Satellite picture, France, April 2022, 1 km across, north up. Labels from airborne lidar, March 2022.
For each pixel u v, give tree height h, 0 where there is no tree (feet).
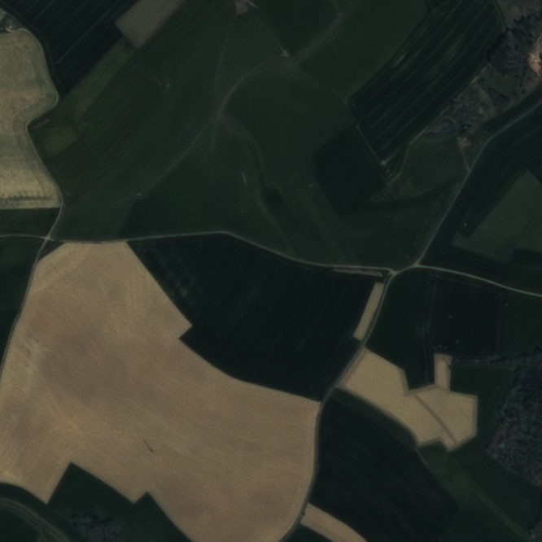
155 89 0
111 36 0
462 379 0
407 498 0
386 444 0
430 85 0
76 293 0
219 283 0
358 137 0
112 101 0
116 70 0
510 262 0
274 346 0
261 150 0
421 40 0
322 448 0
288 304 0
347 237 0
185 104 0
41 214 0
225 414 0
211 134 0
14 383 0
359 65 0
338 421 0
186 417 0
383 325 0
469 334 0
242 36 0
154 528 0
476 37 0
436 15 0
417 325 0
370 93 0
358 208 0
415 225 0
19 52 0
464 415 0
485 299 0
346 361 0
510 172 0
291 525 0
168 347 0
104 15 0
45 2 0
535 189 0
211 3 0
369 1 0
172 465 0
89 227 0
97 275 0
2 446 0
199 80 0
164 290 0
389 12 0
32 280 0
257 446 0
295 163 0
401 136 0
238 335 0
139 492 0
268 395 0
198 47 0
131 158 0
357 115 0
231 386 0
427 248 0
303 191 0
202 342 0
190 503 0
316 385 0
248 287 0
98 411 0
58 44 0
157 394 0
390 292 0
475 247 0
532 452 66
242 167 0
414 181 0
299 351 0
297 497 0
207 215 0
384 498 0
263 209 0
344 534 0
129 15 0
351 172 0
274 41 0
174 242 0
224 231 0
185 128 0
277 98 0
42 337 0
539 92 0
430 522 0
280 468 0
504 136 0
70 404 0
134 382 0
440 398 0
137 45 0
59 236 0
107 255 0
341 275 0
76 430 0
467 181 0
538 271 0
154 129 0
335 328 0
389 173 0
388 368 0
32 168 0
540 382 59
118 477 0
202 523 0
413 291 0
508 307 0
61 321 0
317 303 0
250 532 0
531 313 0
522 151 0
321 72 0
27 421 0
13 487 0
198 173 0
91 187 0
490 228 0
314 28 0
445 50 0
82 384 0
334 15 0
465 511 0
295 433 0
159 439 0
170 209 0
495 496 0
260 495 0
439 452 0
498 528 0
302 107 0
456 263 0
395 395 0
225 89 0
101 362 0
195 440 0
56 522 0
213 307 0
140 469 0
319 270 0
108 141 0
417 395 0
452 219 0
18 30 0
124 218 0
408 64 0
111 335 0
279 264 0
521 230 0
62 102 0
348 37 0
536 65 0
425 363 0
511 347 0
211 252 0
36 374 0
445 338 0
